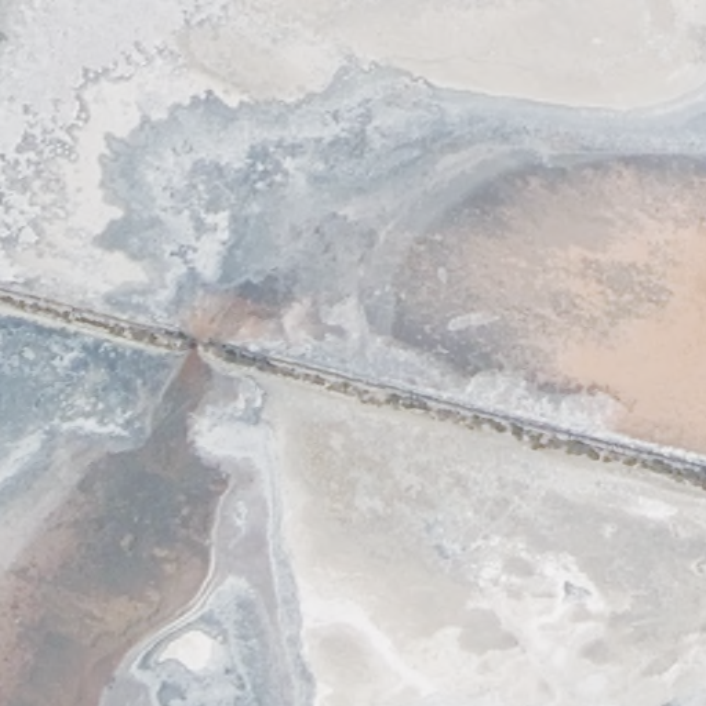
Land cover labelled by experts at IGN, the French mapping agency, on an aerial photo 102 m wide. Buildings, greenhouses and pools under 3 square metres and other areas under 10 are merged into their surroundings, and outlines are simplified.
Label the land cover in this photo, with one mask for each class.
<instances>
[{"label":"pervious surface","instance_id":"1","mask_svg":"<svg viewBox=\"0 0 706 706\"><path fill-rule=\"evenodd\" d=\"M607 154L706 157V0H0V292L55 298L66 306H91L99 314L116 317L119 323L130 320L146 328H160L165 323V314L182 312L185 303H193L196 292L221 298L226 290H237L245 281L256 284L273 270L292 268L298 273L295 303L284 309V317L245 320L232 345L281 361H306L320 370L342 372L345 378H370L392 383L397 386V392H416L455 403H469L485 411L568 427L582 436L609 438L629 447L654 450L659 455H676L695 463H706V452L654 444L645 438L618 433L615 400H609L607 394H571L563 397V403H549V397L543 394L538 400L527 389V381L502 372V364L491 359L480 345H474L463 328L450 331L452 317L477 312L480 303V295L472 292L469 281L450 262L452 254H466L463 245L477 232L472 226L444 229L438 215L450 204L469 196L480 182L502 171L518 168L524 163L568 168L574 163L601 160ZM185 364V350L179 339L157 336L154 345H149L132 336H113L102 328H91L83 323H66L50 314L22 312L0 303V574L17 563L19 552L30 543L36 530L44 527V518L69 496V491L80 483V477L94 461L105 458L108 452L135 450L152 436L154 408L163 405L168 386L179 375ZM199 359L212 367V381L201 403L204 408L190 419V438L196 441L199 455L204 461H215L226 474V488L215 502L210 527V568L188 612L163 623L124 654L113 673V681L102 687L99 700L105 706H706V491L689 480H673L659 472H645L623 463H596L585 455H568L557 450L541 452L521 444L513 433H496L491 427L466 430L444 419H427L422 411L361 405L356 397H347L342 392H325L323 386L306 381H290L262 372L256 367L232 364L210 347H199Z\"/></svg>","mask_w":706,"mask_h":706},{"label":"water","instance_id":"2","mask_svg":"<svg viewBox=\"0 0 706 706\"><path fill-rule=\"evenodd\" d=\"M444 229L472 226L477 232L463 245L466 254H452L450 262L469 281L472 292L480 295V303L477 312L452 317L450 331L463 328L474 345H480L491 359L502 364V372L527 381V389L538 400L543 394L549 397V403H563V397L571 394H607L609 400H615L618 433L645 438L654 444L706 452V157L607 154L601 160L574 163L568 168L524 163L518 168L502 171L480 182L469 196L450 204L438 215ZM298 273L292 268L273 270L256 284L245 281L237 290H226L221 298L196 292L193 303H185L182 312L165 314V323L160 328L188 331L193 336H210L232 345L245 320L284 317V309L295 303ZM212 381V367L199 359V347L185 350V364L179 375L168 386L163 405L154 408L152 436L135 450L108 452L105 458L94 461L80 477V483L69 491V496L44 518V527L36 530L30 543L19 552L17 563L0 574V706H105L99 700L102 687L113 681V673L124 654L163 623L188 612L210 568V527L215 502L226 488V474L215 461H204L199 455L196 441L190 438V419L204 408L201 403Z\"/></svg>","mask_w":706,"mask_h":706},{"label":"brushwood","instance_id":"3","mask_svg":"<svg viewBox=\"0 0 706 706\"><path fill-rule=\"evenodd\" d=\"M0 303L22 312L50 314L66 323H83L91 328H102L113 336H132L149 345H154L157 336L179 339L185 350L199 347H210L232 364L256 367L262 372L290 381H306L323 386L325 392H342L347 397H356L361 405L422 411L427 419H444L466 430L491 427L496 433H513L521 444L541 452L557 450L568 455H585L596 463H623L645 472H659L673 480H689L706 491V463H695L676 455H659L654 450L629 447L609 438L582 436L568 427L485 411L469 403H455L416 392H397V386L392 383L370 378H345L342 372L320 370L306 361H281L232 345L210 336H193L188 331L160 328H146L130 320L119 323L116 317L99 314L91 306H66L55 298L0 292Z\"/></svg>","mask_w":706,"mask_h":706}]
</instances>
